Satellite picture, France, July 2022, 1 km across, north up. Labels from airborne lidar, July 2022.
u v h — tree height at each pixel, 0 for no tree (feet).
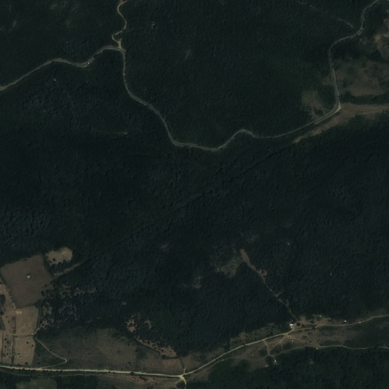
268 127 34
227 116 51
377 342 26
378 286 28
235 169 40
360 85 0
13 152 70
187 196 25
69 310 33
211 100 38
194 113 24
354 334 0
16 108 31
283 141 28
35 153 67
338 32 25
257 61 26
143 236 33
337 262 29
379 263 19
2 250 35
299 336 0
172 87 39
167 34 34
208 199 37
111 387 0
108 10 22
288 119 29
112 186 77
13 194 62
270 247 30
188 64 38
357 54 35
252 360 0
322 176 25
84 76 28
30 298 0
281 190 53
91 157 55
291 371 28
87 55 33
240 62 29
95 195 68
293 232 48
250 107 35
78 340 0
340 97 21
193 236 39
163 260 52
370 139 40
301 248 30
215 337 41
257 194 42
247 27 34
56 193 18
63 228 26
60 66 50
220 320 45
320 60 28
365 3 51
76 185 29
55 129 43
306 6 37
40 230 67
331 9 30
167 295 45
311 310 23
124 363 0
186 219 47
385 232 40
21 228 50
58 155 59
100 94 59
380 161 49
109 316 28
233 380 17
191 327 47
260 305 34
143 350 0
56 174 40
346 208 38
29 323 0
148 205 49
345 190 50
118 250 34
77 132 70
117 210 47
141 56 30
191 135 22
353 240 40
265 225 20
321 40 31
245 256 0
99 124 40
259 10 43
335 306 27
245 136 45
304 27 32
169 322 24
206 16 29
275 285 41
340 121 0
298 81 20
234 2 23
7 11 22
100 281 56
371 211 38
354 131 29
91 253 24
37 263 0
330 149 44
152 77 37
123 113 78
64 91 69
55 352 0
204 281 25
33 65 30
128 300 32
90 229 39
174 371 0
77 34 34
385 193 26
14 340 0
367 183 37
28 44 25
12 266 0
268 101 40
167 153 59
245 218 46
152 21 25
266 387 20
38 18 21
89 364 0
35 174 68
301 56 29
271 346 0
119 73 47
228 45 29
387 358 35
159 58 21
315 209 35
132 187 79
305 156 28
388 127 40
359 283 28
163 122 23
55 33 25
